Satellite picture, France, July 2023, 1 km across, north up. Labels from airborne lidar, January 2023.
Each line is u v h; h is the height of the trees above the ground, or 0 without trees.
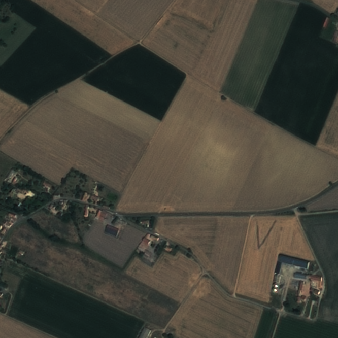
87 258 0
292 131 0
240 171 0
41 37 0
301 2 0
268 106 0
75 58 0
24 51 0
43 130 0
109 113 0
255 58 0
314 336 0
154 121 0
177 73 0
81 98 0
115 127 0
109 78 0
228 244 0
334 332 0
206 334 0
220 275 0
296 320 0
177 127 0
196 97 0
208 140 0
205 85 0
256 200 0
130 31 0
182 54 0
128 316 0
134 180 0
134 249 0
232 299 0
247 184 0
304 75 0
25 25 0
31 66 0
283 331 0
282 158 0
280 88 0
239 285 0
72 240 0
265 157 0
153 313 0
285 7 0
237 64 0
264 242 0
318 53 0
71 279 0
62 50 0
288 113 0
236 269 0
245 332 0
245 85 0
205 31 0
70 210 12
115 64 0
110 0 0
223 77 0
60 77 0
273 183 0
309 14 0
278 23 0
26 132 0
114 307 0
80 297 0
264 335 0
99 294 0
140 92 0
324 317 0
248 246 0
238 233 0
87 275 0
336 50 0
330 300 0
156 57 0
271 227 0
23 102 0
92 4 0
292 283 0
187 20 0
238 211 0
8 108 0
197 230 0
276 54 0
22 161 0
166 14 0
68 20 0
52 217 0
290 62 0
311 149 0
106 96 0
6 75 0
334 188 0
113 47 0
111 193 0
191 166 0
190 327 0
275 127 0
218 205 0
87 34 0
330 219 0
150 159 0
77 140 0
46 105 0
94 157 0
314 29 0
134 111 0
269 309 0
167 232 0
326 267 0
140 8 0
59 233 0
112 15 0
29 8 0
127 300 0
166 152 0
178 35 0
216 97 0
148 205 0
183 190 0
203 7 0
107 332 0
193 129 0
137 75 0
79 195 9
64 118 0
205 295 0
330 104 0
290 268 0
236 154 0
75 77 0
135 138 0
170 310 0
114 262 0
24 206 12
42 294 0
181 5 0
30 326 0
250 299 0
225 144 0
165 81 0
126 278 0
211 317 0
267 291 0
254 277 0
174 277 0
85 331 0
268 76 0
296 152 0
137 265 0
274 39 0
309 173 0
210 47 0
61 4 0
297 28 0
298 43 0
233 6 0
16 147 0
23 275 0
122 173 0
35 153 0
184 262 0
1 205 20
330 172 0
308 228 0
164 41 0
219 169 0
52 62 0
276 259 0
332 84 0
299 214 0
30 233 0
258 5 0
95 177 0
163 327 0
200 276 0
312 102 0
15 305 0
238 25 0
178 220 0
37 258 0
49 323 0
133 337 0
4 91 0
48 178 0
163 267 0
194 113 0
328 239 0
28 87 0
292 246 0
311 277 0
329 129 0
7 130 0
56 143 0
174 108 0
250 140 0
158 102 0
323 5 0
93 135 0
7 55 0
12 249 0
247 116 0
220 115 0
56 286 0
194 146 0
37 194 8
